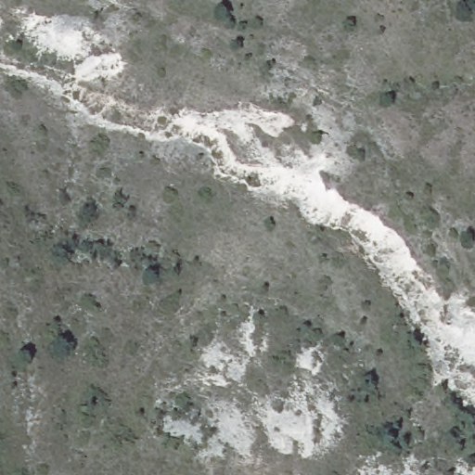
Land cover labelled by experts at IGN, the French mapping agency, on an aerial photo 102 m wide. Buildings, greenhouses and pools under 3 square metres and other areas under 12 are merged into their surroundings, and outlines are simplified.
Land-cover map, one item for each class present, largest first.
<instances>
[{"label":"herbaceous vegetation","instance_id":"1","mask_svg":"<svg viewBox=\"0 0 475 475\"><path fill-rule=\"evenodd\" d=\"M17 7H26L32 15H69L89 19L93 30L108 37V43L100 41L98 45L91 46V56L121 54L124 69L117 74L121 83L113 87L111 96L126 104H134L137 109L135 113H124L111 108L104 115V119L108 121L141 128L145 122V113H150L156 108L178 115L180 109L213 113L225 109H249L250 106H256L265 111H280L291 117V126L282 128L280 135L265 134L258 124H254L252 128V134L262 141L263 147L269 148L275 154V158L282 156L284 145H299L308 158H314L312 145L321 143L323 130L317 128L310 111L315 106L327 109L334 115L338 130L351 135L347 154L351 158L353 173L338 176L323 171L321 180L325 187L336 189L341 199L358 204L366 212L377 215L382 225L392 228L403 237L404 245L410 250V256L416 260L417 265L423 271L436 275V291L442 299H451V295L458 293L464 295L468 299L469 308L475 310V0H0V63L15 65L24 71L39 72L59 83H74L76 67L72 65L71 59L58 56L56 52H43L35 48L30 41H26L24 26L15 15ZM54 93L50 89L39 87L26 78L9 76L7 71L0 69V475H208L199 458L200 449L197 443L202 440L200 427L182 421V417L193 408L191 393H169V397L176 401V408L165 406L163 403L158 406L154 403V380L174 377L182 379L186 373H193L202 362L204 349L213 341L215 328L221 332L223 328L236 330L249 319V310L243 306L245 301H249L256 310L252 343L262 345V338L269 341L267 354L276 373L293 375L299 354L312 345H321L323 353H327V362L321 366V371L315 375L312 382H319L321 390H327L330 380L338 384V390H332L328 401L340 395V408L336 410V414L340 417V423L349 421L354 427V432L362 436V455L369 456L380 451V458L386 468L403 471L404 460L408 456H432L434 469L440 475H445L447 468H456L458 456H462L469 466L475 468V417L460 412L451 401V397L443 395L442 386L432 384V362L427 353L429 340L417 343L414 330L419 328L417 323L412 321L410 314L399 304L393 289L384 286L379 267L373 265L371 260H366V249L362 247L351 250L353 239L349 230H336L330 226L310 223L302 215L299 199H284L282 206H273L267 200L254 197L243 184H236L228 178H219L215 174L212 176L193 173L189 158H178L176 161L161 160L152 152V141H148L145 135L104 130L95 124H89L83 119L82 111L69 113L71 108L61 109L54 102H50L48 98Z\"/></svg>","mask_w":475,"mask_h":475},{"label":"bare soil","instance_id":"2","mask_svg":"<svg viewBox=\"0 0 475 475\"><path fill-rule=\"evenodd\" d=\"M15 15L24 26L26 41H30L35 48L43 52H56L58 56L71 59L72 65L76 67L74 83H59L39 72L24 71L15 65L0 63V69L7 71L9 76L26 78L39 87L50 89L54 93L48 98L50 102H54L61 109L71 108L69 113L82 111L83 119L89 124H95L104 130L145 135L148 141H152V152L161 160L176 161L178 158H189L193 173L212 176L215 174L219 178H228L236 184H243L254 197L267 200L273 206H282L284 199H299L302 215L310 223L330 226L336 230H349L353 239L351 250L362 247L366 249V260H371L373 265L379 267L384 286L393 289L399 304L410 314L412 321L417 323L419 328L414 330L417 343L429 340L427 353L432 362V384L442 386L443 395L451 397V401L460 412L475 417V310L469 308L468 299L464 295L458 293L451 295V299H442L436 291V275L423 271L417 265L416 260L410 256V250L404 245L403 237L392 228L382 225L377 215L366 212L358 204L341 199L336 189L325 187L321 180L323 171L338 176L353 173L351 158L347 154L351 135L338 130L334 115L327 109L315 106L310 111L317 128L323 130L321 143L312 145L314 158H308L299 145H284L282 156L275 158V154L269 148L263 147L262 141L252 134V128L254 124H258L265 134L280 135L282 128L291 126V117L280 111H265L256 106H250L249 109H225L213 113L180 109L178 115L156 108L150 113H145V122L141 128L108 121L104 119V115L111 108L124 113H135L137 109L134 104H126L111 96L113 87L121 83L117 74L124 69L121 54L91 56V46L98 45L100 41L108 43V37L93 30L89 19L69 15H32L26 7H17ZM243 306L249 310V319L236 330L223 328L221 332L215 328L213 341L204 349L202 362L193 373H186L182 379L174 377L154 380V403L158 406L163 403L165 406L176 408V401L169 397V393H191L193 408L182 417V421L200 427L202 440L197 443L200 449L199 458L208 475H440L434 469L432 456H408L404 460L403 471L386 468L380 458V451L369 456L362 455V436L354 432V427L349 421L340 423V417L336 414V410L340 408V395L328 401L332 390H338V384L330 380L327 390H321L319 382H312L315 375L321 371V366L327 362V353H323L321 345H312L299 354L293 375L276 373L267 354L269 341L262 338V345L252 343L256 310L249 301H245ZM445 475H475V468L469 466L462 456H458L456 468H447Z\"/></svg>","mask_w":475,"mask_h":475}]
</instances>
